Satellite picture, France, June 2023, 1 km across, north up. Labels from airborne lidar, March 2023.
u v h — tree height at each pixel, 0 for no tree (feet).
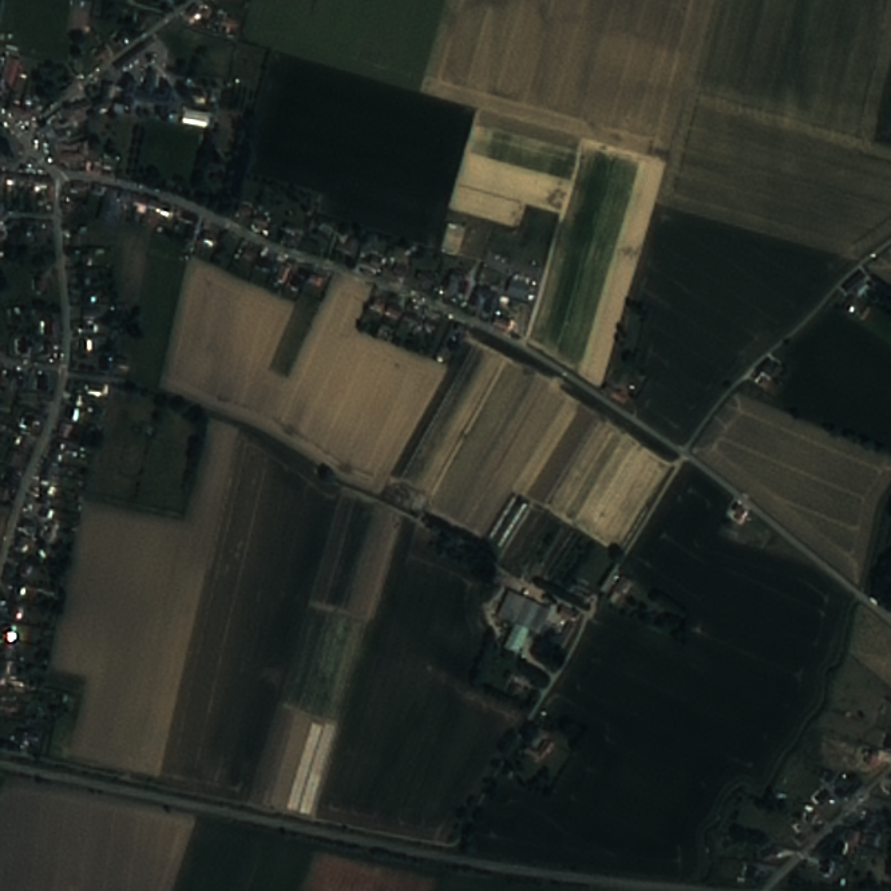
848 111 0
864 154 0
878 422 0
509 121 0
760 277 0
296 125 0
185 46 0
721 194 0
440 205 0
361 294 0
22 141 0
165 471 0
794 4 0
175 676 0
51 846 0
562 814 0
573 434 0
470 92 0
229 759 0
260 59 0
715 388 0
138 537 0
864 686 0
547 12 0
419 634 0
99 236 0
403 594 0
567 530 0
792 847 0
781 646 0
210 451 0
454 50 0
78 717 0
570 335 0
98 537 0
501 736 0
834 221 0
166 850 0
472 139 0
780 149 0
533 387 0
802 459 0
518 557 0
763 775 0
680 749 0
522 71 0
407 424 0
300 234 0
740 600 0
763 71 0
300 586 0
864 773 0
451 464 0
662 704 0
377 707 0
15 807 0
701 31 0
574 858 0
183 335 0
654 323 0
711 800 0
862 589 0
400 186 0
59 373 0
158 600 0
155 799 0
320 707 0
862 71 0
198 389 0
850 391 0
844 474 0
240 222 0
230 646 0
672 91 0
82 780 0
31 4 0
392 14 0
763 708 0
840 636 0
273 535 0
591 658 0
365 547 0
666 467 0
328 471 44
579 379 0
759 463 0
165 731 0
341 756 0
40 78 51
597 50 0
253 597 0
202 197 54
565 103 0
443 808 0
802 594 0
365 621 0
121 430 0
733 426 0
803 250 0
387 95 0
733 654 0
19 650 0
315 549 0
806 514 0
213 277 0
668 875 0
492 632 23
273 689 0
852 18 0
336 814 0
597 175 0
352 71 0
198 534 0
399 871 0
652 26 0
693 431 0
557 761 0
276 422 0
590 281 0
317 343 0
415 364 0
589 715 0
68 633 0
